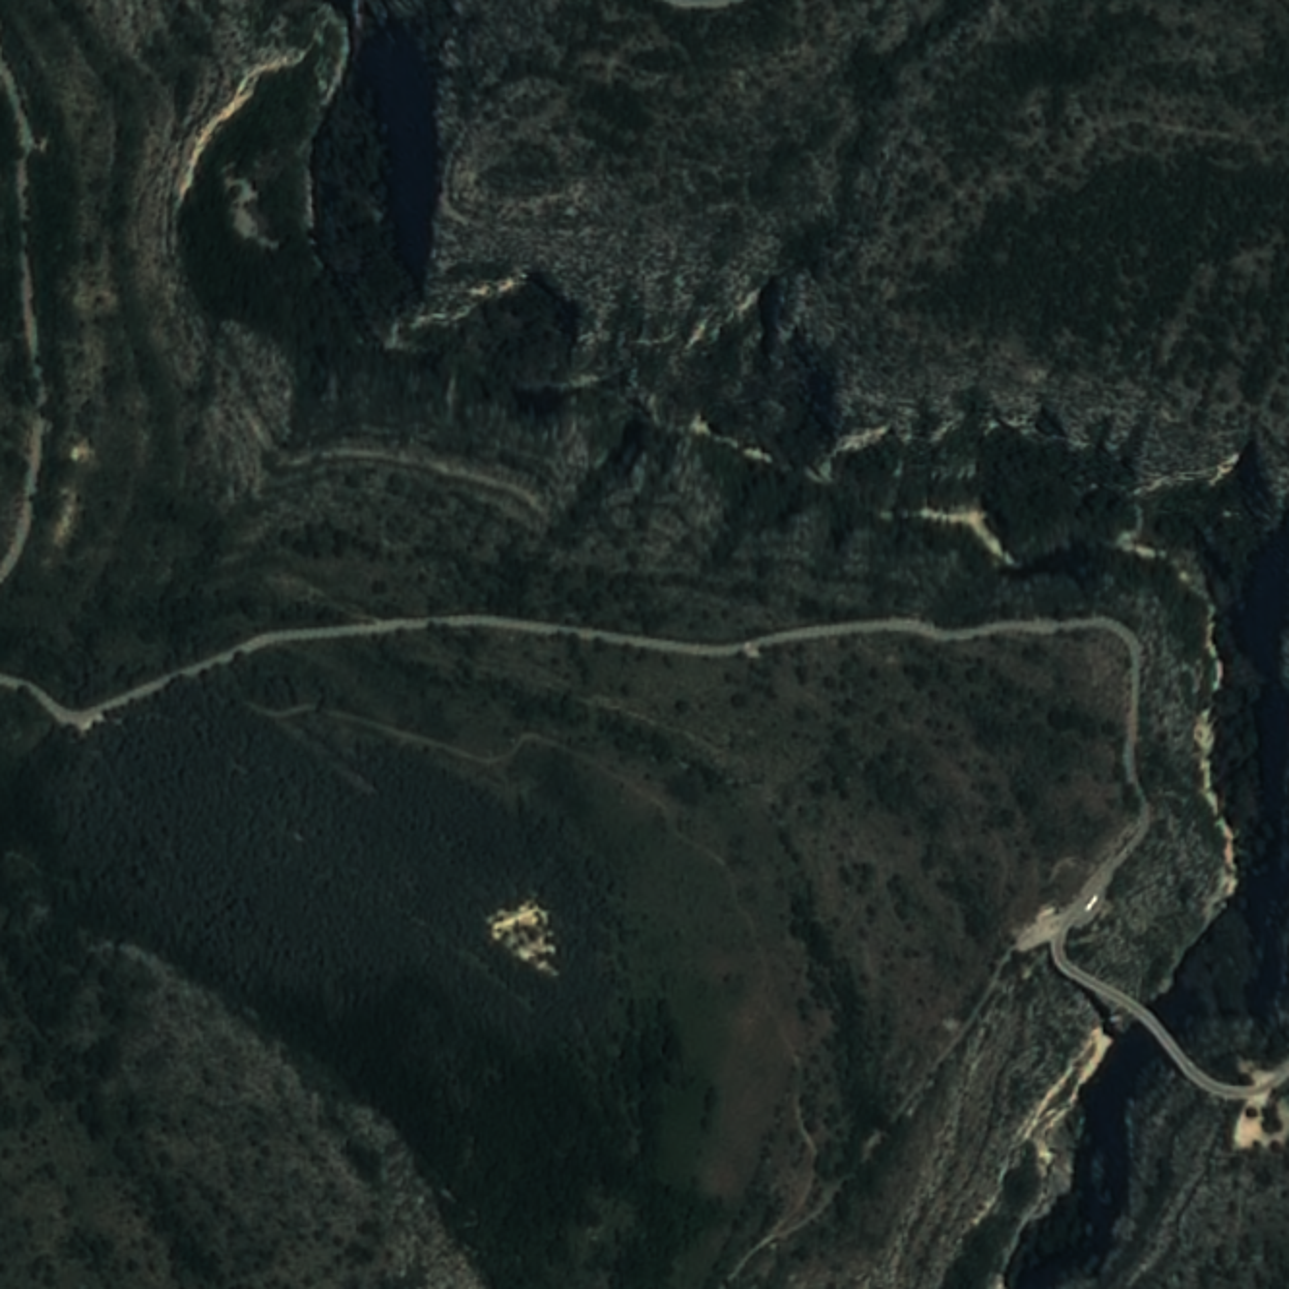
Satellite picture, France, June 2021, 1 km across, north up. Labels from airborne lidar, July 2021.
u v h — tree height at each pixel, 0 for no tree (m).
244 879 12
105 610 8
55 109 6
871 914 7
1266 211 6
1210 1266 6
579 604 7
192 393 6
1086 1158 12
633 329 12
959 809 6
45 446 8
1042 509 18
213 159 16
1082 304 5
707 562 8
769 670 7
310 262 13
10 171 8
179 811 13
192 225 21
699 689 0
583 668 8
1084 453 12
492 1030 11
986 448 14
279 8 9
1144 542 9
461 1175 9
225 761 12
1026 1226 15
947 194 6
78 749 10
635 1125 9
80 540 7
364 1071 14
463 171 0
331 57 10
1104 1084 20
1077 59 6
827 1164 7
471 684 7
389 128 12
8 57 10
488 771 0
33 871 7
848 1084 6
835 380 8
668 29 7
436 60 10
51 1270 8
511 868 11
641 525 8
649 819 0
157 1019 0
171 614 7
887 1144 8
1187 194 6
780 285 20
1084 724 7
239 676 6
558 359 13
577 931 6
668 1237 10
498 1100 12
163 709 11
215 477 0
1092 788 0
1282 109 7
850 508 9
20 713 5
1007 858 0
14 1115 6
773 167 6
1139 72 6
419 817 11
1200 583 17
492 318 17
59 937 7
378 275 16
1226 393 6
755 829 0
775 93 7
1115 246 6
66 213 11
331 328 10
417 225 12
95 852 11
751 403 7
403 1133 11
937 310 6
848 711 7
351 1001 13
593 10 6
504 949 7
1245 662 9
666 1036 9
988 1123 7
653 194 6
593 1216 11
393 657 8
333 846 8
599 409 11
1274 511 18
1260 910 7
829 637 0
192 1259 8
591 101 7
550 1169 12
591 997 10
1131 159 7
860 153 11
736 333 11
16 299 8
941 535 9
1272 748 7
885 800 7
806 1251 9
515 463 6
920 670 10
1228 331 6
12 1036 7
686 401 6
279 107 11
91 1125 8
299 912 12
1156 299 7
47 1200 0
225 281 21
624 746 8
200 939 7
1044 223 7
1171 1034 9
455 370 11
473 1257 6
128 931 11
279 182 16
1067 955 8
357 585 0
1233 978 7
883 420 6
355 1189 0
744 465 19
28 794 12
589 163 7
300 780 12
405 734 0
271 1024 7
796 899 6
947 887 7
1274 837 8
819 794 8
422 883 10
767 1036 0
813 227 11
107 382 7
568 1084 16
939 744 7
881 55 11
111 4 0
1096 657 0
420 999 11
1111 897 10
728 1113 0
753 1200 6
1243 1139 0
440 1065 11
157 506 9
